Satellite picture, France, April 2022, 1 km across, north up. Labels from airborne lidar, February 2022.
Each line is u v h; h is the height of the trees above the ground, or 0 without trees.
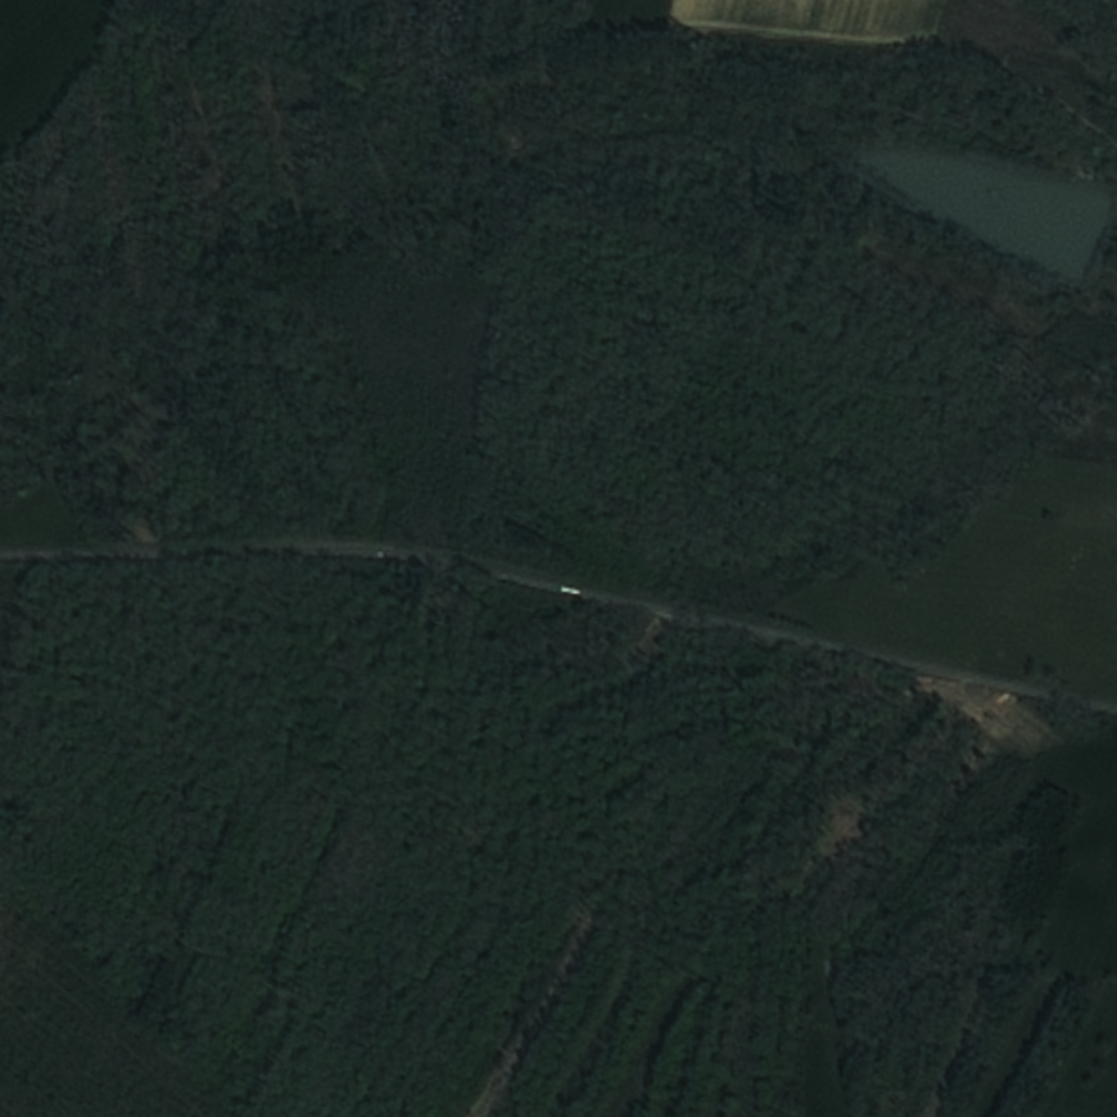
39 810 26
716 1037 28
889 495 28
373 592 24
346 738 24
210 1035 27
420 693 27
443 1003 27
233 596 27
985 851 24
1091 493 0
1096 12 21
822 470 15
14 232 24
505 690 17
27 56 0
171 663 24
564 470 22
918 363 16
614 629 21
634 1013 27
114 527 25
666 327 19
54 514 0
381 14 30
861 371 15
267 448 23
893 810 17
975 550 0
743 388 13
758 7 0
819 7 0
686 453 23
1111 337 10
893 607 0
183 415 27
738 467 14
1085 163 13
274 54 27
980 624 0
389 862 28
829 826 25
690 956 23
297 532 26
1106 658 0
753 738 22
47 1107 14
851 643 0
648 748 27
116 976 27
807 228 30
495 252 24
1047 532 0
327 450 22
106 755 27
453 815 28
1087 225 0
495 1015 28
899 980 25
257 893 23
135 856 25
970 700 0
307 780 25
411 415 11
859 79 25
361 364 16
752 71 26
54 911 26
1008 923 6
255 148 25
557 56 28
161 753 23
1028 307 22
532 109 22
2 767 25
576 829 27
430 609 27
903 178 0
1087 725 26
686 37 24
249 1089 10
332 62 24
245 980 25
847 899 29
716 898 27
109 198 25
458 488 13
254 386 22
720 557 26
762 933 17
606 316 27
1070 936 0
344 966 24
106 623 27
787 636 0
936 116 27
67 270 26
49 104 0
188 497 22
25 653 28
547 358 27
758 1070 26
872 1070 25
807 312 25
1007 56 0
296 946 20
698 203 28
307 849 27
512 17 16
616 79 20
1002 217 0
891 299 20
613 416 22
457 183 28
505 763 24
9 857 27
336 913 27
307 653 25
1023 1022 16
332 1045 23
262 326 17
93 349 25
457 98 24
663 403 27
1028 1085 20
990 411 23
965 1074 24
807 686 18
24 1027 14
